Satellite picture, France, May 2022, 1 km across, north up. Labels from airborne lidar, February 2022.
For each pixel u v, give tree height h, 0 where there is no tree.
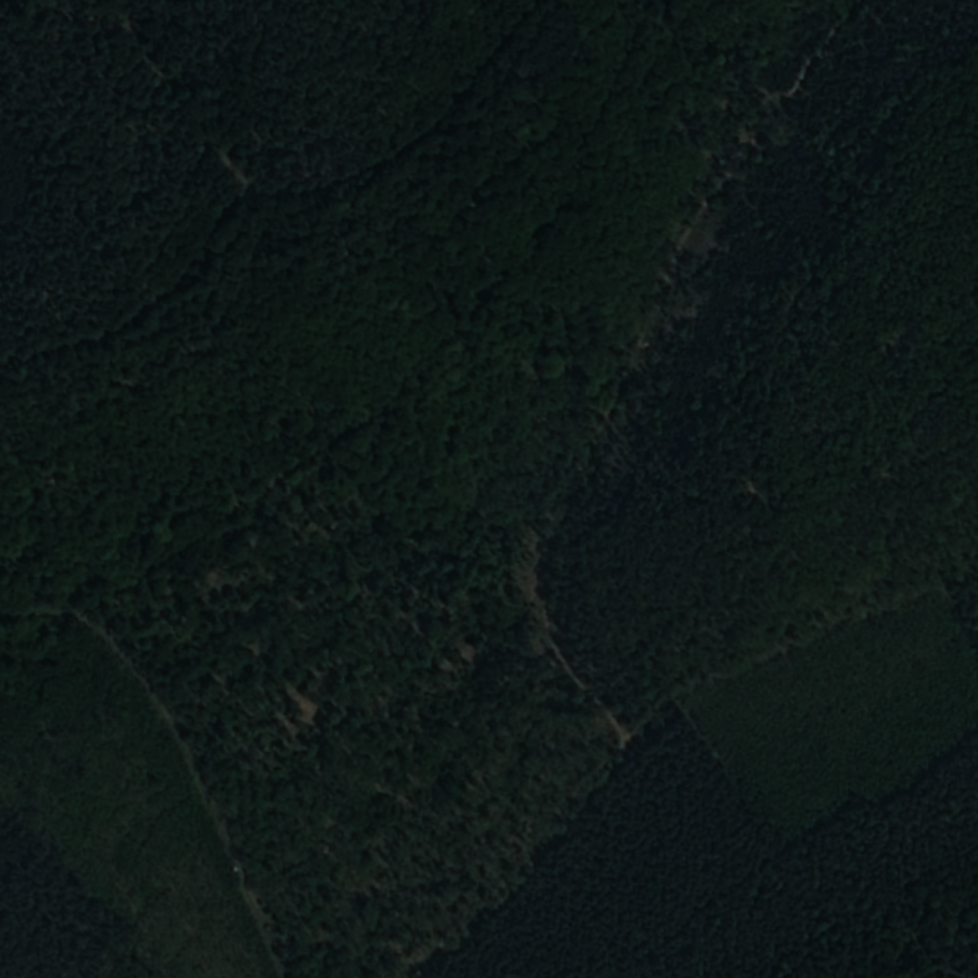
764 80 10
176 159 32
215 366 27
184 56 34
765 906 24
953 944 7
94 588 30
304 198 29
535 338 27
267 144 27
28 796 19
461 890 8
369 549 33
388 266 35
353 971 10
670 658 22
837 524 27
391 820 27
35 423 26
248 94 29
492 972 27
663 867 23
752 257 10
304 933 27
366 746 25
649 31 33
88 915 28
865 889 27
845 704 13
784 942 22
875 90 26
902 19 12
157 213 31
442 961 25
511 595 27
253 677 27
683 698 14
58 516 27
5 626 29
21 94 27
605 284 31
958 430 22
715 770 20
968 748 26
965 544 25
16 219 30
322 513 32
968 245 26
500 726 28
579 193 35
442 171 34
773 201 11
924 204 22
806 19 13
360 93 24
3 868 10
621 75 33
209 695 24
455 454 29
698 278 7
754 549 25
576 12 28
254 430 28
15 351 29
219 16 26
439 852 25
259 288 33
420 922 28
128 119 28
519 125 37
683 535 24
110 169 33
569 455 27
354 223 30
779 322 19
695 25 33
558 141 32
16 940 26
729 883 24
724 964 26
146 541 32
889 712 12
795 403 20
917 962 31
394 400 27
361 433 29
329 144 31
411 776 31
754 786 14
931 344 23
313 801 28
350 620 27
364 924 24
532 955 25
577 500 30
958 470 20
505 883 23
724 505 25
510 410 26
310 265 31
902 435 21
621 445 21
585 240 32
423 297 31
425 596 25
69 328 28
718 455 31
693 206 31
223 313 32
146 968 6
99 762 0
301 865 29
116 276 27
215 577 29
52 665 18
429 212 34
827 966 25
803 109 17
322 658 25
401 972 28
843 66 14
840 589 26
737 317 7
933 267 24
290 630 28
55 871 26
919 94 30
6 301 29
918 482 22
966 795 25
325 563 27
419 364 32
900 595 25
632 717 28
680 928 22
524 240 28
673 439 7
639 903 29
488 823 26
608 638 29
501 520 27
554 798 30
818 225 10
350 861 29
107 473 29
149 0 40
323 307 31
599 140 35
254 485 33
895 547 24
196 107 35
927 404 25
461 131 33
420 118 30
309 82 26
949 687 9
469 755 22
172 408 28
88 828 0
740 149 27
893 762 10
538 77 26
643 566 29
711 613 27
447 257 35
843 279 25
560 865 22
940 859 26
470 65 27
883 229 21
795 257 15
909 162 24
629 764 23
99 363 27
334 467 31
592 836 30
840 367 20
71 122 26
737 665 24
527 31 26
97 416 28
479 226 34
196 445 27
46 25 27
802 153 10
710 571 26
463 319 31
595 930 25
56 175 28
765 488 25
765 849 28
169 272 30
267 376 28
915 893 28
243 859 32
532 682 31
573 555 27
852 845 28
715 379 30
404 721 28
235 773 26
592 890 24
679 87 31
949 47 24
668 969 28
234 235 35
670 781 24
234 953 16
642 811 29
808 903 23
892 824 28
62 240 23
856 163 9
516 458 27
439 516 29
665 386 12
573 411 30
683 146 30
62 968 27
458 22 33
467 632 9
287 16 28
